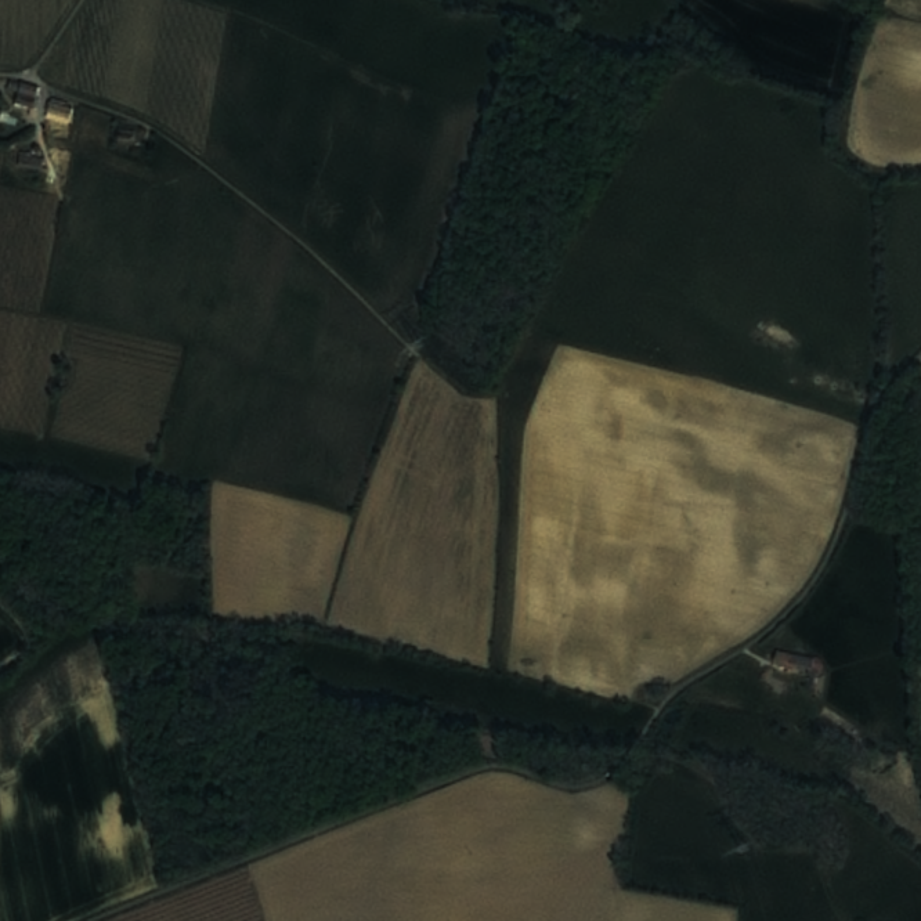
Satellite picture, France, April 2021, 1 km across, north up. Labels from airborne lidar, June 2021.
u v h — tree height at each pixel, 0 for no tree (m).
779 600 0
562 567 0
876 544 0
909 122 0
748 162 0
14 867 0
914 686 21
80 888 0
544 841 0
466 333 20
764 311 0
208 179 0
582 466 0
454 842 0
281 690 26
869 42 12
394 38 0
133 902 0
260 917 0
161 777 23
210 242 0
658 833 0
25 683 0
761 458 0
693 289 0
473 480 0
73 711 0
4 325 0
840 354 0
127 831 0
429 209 0
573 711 0
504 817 0
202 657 8
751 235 0
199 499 23
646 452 0
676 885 0
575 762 21
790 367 0
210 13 0
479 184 16
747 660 0
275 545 0
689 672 0
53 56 0
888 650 0
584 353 0
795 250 0
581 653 0
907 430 29
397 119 0
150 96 0
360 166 0
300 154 0
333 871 0
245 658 16
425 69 0
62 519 24
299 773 24
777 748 0
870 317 0
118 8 0
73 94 0
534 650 0
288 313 0
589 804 0
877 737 0
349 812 24
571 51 25
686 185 0
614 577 0
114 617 27
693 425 0
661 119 0
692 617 0
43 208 0
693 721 0
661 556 0
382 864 0
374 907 0
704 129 0
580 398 0
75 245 0
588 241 0
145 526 25
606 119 24
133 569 19
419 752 24
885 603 0
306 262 0
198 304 0
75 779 0
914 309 0
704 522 0
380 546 0
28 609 19
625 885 7
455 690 0
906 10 0
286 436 0
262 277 0
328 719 27
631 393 0
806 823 22
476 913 0
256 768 27
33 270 0
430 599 0
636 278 0
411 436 0
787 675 0
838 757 21
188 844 22
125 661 21
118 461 0
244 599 0
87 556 24
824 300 0
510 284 16
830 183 0
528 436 0
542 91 27
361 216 0
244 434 0
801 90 16
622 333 0
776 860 0
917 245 0
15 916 0
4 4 0
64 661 0
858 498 15
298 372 0
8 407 0
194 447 0
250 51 0
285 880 0
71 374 14
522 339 17
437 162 0
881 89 0
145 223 0
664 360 0
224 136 0
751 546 0
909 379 17
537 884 0
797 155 0
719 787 15
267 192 0
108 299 0
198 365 0
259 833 22
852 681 0
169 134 0
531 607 0
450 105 0
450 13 15
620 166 13
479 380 15
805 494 0
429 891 0
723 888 0
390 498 0
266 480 0
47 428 0
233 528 0
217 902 0
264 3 0
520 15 21
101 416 0
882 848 0
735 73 23
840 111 21
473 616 0
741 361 0
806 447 0
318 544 0
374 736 30
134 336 0
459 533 0
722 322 0
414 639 0
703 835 0
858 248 0
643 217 0
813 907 0
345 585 0
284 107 0
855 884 0
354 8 0
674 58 15
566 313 0
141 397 0
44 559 26
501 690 0
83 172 0
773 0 0
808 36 0
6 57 0
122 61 0
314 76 0
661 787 0
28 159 0
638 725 0
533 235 19
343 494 0
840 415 0
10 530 27
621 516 0
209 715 19
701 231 0
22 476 16
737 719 0
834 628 0
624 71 26
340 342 0
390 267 0
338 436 0
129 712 14
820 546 0
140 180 0
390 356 0
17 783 0
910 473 28
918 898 0
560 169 22
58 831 0
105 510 27
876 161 0
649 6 0
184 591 0
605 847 0
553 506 0
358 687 0
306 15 0
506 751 21
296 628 18
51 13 0
